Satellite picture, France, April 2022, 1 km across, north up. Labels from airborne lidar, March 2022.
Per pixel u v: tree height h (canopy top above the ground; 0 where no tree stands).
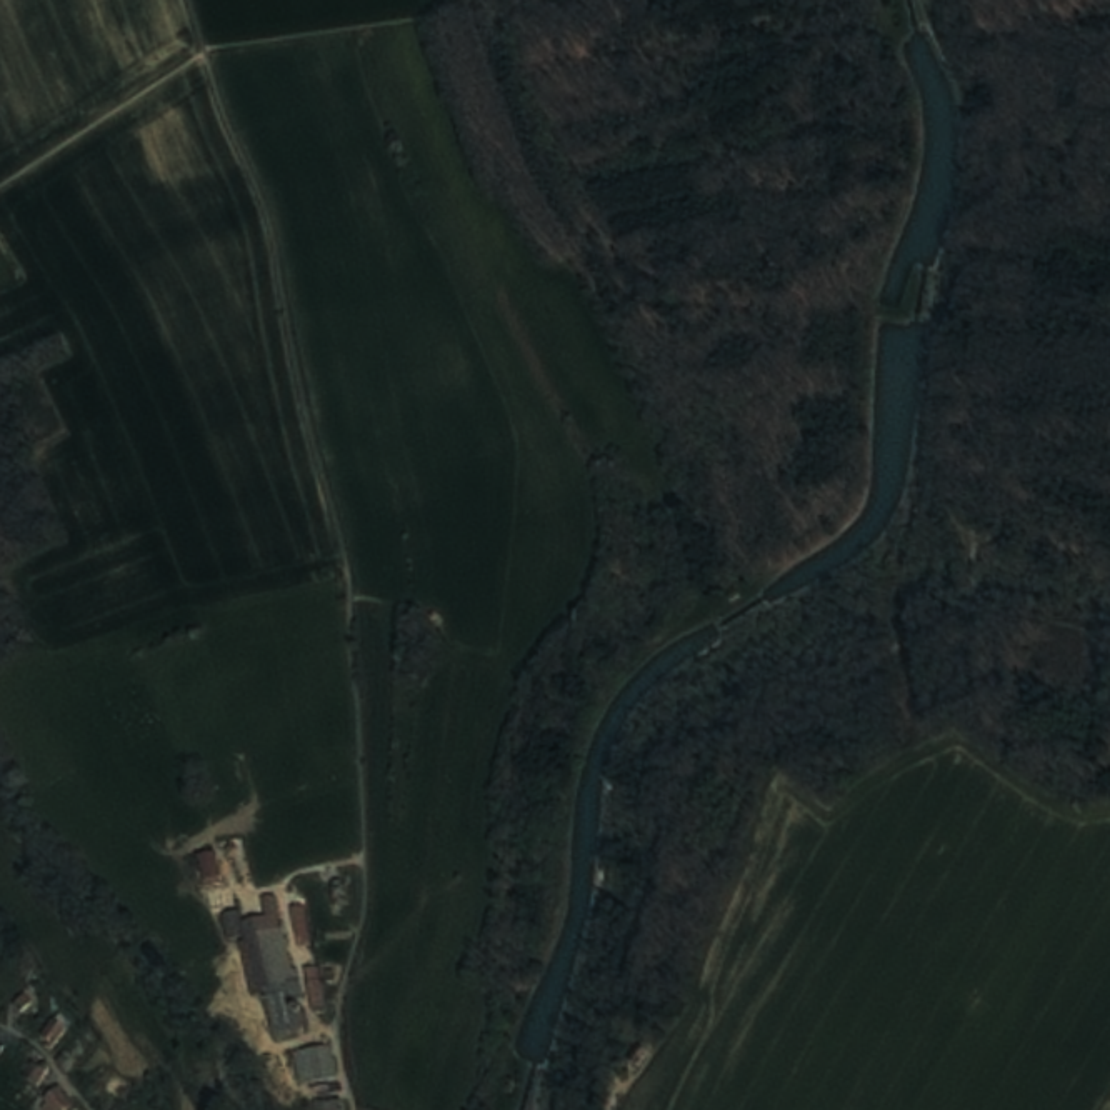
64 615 0
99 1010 0
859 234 21
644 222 17
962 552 18
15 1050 0
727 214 18
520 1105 0
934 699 28
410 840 0
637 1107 0
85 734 0
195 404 0
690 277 28
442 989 0
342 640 0
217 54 0
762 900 0
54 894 27
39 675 0
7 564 22
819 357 24
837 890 0
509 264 0
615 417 0
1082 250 15
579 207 29
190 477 0
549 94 29
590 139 19
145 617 0
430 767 0
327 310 0
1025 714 21
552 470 0
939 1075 0
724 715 27
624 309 16
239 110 0
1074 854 0
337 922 0
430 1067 0
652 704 16
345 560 0
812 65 25
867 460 19
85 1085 10
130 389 0
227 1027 18
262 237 0
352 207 0
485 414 0
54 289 0
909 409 0
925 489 20
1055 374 24
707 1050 0
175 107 0
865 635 31
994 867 0
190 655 0
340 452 0
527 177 34
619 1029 20
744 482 24
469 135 29
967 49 24
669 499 0
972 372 26
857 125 30
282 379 0
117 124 0
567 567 0
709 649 0
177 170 0
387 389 0
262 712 0
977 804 0
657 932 27
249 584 0
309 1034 0
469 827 0
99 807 0
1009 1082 0
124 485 0
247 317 0
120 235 0
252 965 0
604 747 0
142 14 0
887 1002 0
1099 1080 0
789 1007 0
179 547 0
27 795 18
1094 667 0
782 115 15
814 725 31
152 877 0
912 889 0
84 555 0
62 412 0
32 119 0
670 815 31
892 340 0
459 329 0
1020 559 20
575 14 29
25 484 24
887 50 20
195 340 0
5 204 0
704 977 0
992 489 20
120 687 0
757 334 22
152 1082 8
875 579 16
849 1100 0
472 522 0
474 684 0
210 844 0
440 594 0
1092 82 30
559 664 25
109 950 0
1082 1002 0
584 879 0
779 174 29
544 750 24
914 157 15
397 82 0
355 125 0
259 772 0
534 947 23
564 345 0
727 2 22
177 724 0
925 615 32
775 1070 0
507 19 24
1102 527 28
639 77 33
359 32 0
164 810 0
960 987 0
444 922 0
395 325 0
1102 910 0
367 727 0
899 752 25
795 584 0
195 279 0
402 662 10
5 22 0
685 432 25
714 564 22
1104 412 30
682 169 14
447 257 0
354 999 0
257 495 0
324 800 0
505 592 0
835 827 0
